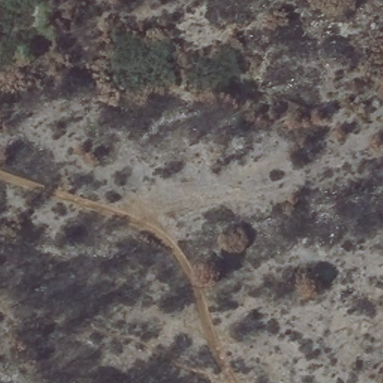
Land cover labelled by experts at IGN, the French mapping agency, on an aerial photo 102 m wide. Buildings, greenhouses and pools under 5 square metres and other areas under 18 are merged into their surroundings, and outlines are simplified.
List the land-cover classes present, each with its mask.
<instances>
[{"label":"bare soil","instance_id":"1","mask_svg":"<svg viewBox=\"0 0 383 383\"><path fill-rule=\"evenodd\" d=\"M355 9L344 10L340 15H334L326 10L320 12L319 9H311L307 0H48L34 7L33 27L39 34L31 39L27 48L19 45L15 52V63L4 67L0 73V383H383V0H355ZM127 28L135 31L136 36L145 37L147 34L151 39L171 40L177 45L193 42L199 48L211 45L214 40H221L239 49L244 60L250 63V69L241 73V78L230 79L227 85H217L212 91H202L194 96L187 93L186 84L174 85L169 90L171 94H163L162 87L148 84L136 93H126V99H120V93L108 85L109 76L105 75L106 63L99 60V55L114 57L111 40L115 42L117 36L126 33ZM226 235H236L242 239V251H224ZM199 263L206 266L205 280L208 283L214 281L212 286H191L189 275L196 271ZM304 274L308 280L314 281L316 286V290L308 296L296 289V281L301 280Z\"/></svg>","mask_w":383,"mask_h":383},{"label":"brushwood","instance_id":"2","mask_svg":"<svg viewBox=\"0 0 383 383\"><path fill-rule=\"evenodd\" d=\"M48 0H0V73L4 67L15 63V52L19 45L27 48L31 39L39 34L33 27L34 7ZM311 9H319L320 12L326 10L334 15H340L344 10L355 9V0H307ZM114 57L99 55V60L106 63L105 75L109 76L108 85L120 93V99H126V93H136L148 84L162 87L163 94H171L169 90L174 85L186 84L187 93L194 96L202 91H212L217 85H227L230 79L241 78V73L250 69V63L244 60L239 49L221 40H214L211 45L199 48L193 42L177 45L171 40L151 39L147 34L145 37L136 36L135 31L127 28L126 33L117 36L115 42L111 40Z\"/></svg>","mask_w":383,"mask_h":383},{"label":"coniferous trees","instance_id":"3","mask_svg":"<svg viewBox=\"0 0 383 383\"><path fill-rule=\"evenodd\" d=\"M224 251H242V239L236 235H226ZM206 266L199 263L196 271L189 275L191 286H212L214 281L208 283L205 280ZM296 289L308 296L316 290V286L314 281L308 280L304 274L301 280L296 281Z\"/></svg>","mask_w":383,"mask_h":383}]
</instances>
